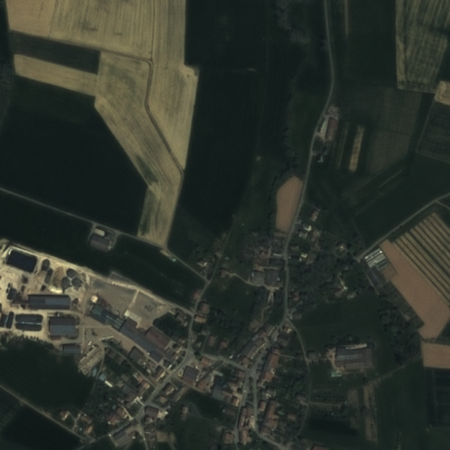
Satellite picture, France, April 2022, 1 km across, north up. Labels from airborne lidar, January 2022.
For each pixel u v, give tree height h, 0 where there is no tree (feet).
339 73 0
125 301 0
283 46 0
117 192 0
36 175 0
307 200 0
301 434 0
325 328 0
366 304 0
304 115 0
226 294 0
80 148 0
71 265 0
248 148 0
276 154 0
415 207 0
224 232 0
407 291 0
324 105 0
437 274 0
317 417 0
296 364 20
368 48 0
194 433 0
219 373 0
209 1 0
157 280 0
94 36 0
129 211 0
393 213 0
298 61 0
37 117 0
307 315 0
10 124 0
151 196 0
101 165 0
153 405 0
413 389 0
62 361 0
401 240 0
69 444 0
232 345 22
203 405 0
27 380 0
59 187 0
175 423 0
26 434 0
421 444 0
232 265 0
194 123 0
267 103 0
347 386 0
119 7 0
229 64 0
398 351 42
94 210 0
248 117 0
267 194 0
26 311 0
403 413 0
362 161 0
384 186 0
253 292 0
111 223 0
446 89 0
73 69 0
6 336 0
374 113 0
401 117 0
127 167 0
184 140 0
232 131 0
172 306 0
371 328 0
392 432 0
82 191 0
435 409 0
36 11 0
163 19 0
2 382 0
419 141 0
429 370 0
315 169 0
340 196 0
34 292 0
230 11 0
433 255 0
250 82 0
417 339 63
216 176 0
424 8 0
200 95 0
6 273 0
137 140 0
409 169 0
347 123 0
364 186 0
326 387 0
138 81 0
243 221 0
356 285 0
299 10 0
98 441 38
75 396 0
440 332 0
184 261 0
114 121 0
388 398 0
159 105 0
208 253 28
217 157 0
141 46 0
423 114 0
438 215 0
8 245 0
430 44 0
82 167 0
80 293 0
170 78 0
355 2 0
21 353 0
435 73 0
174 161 0
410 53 0
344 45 0
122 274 0
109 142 0
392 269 0
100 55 0
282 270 23
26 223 0
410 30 0
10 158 0
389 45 0
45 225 0
